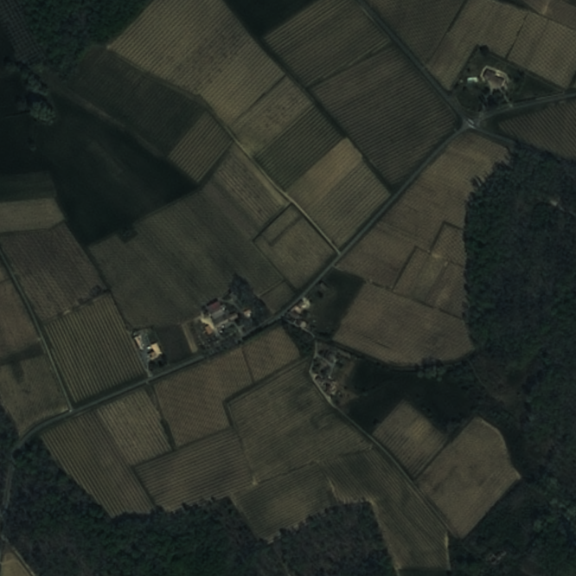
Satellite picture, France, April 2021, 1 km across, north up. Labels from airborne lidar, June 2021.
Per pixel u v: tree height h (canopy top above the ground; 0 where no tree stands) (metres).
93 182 0
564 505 29
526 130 0
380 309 0
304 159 0
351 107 0
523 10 0
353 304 0
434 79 0
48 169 0
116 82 0
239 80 0
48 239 0
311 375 0
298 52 0
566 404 19
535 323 22
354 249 0
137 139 0
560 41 0
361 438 0
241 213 0
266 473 0
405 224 0
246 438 0
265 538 0
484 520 7
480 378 9
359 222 0
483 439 0
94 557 24
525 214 14
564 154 0
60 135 0
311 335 8
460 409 0
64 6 23
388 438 0
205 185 0
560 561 21
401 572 0
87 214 0
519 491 11
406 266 0
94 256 0
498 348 23
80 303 10
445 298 0
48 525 15
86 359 0
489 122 0
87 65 0
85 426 0
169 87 0
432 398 0
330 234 0
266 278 0
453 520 0
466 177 0
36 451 14
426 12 0
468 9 0
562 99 0
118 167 0
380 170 0
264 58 0
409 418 0
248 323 16
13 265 0
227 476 0
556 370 24
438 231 0
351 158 0
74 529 23
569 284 26
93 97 0
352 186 0
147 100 0
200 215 0
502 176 15
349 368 0
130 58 0
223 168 0
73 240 0
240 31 0
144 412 0
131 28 0
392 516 0
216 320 0
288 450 0
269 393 0
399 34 0
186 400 0
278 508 0
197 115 0
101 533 18
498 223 21
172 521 20
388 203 0
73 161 0
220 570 24
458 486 0
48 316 0
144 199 0
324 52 0
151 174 0
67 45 25
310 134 0
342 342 0
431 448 0
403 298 0
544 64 0
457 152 0
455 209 0
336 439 0
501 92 13
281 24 0
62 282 0
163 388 0
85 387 0
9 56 0
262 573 13
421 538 0
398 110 0
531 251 16
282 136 0
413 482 0
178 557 25
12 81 0
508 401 0
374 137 0
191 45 0
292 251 0
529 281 23
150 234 0
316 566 13
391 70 0
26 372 0
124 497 0
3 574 0
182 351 0
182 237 0
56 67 22
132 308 0
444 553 0
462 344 0
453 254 0
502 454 0
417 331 0
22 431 0
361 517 17
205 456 0
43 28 27
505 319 21
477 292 17
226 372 0
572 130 0
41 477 18
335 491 0
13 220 0
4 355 0
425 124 0
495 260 20
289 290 0
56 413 0
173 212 0
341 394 0
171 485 0
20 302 0
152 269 0
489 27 0
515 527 9
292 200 0
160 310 0
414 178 0
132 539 26
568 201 21
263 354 0
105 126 0
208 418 0
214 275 0
